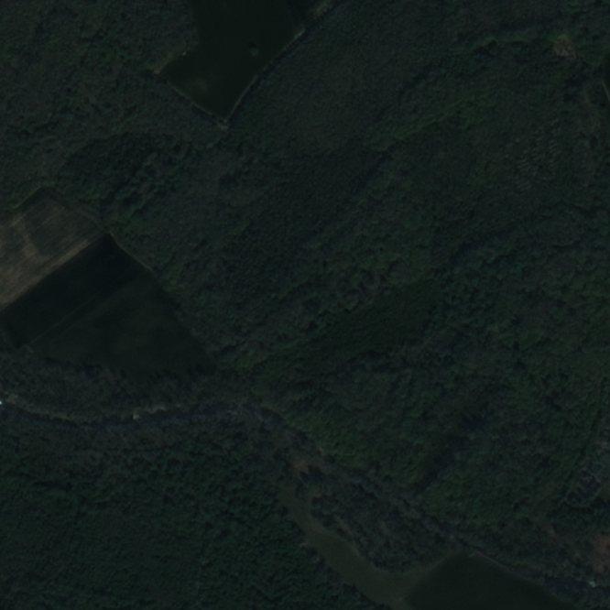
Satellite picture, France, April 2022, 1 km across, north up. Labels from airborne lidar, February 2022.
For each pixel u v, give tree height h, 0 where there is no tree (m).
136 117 28
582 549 16
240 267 22
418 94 25
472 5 14
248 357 29
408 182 24
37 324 0
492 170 21
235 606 20
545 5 19
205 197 36
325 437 35
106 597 21
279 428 23
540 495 32
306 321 24
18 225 0
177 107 24
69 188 16
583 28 30
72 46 26
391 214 28
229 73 0
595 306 30
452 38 23
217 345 27
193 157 33
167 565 15
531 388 32
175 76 0
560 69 14
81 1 26
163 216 31
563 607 0
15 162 22
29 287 0
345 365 10
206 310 28
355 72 17
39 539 12
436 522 21
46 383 25
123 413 29
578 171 18
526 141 19
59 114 25
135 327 0
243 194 29
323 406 29
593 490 12
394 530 22
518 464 31
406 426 37
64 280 0
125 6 23
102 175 11
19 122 24
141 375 0
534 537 30
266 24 0
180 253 22
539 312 32
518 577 0
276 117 16
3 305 0
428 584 0
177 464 16
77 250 0
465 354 35
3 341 0
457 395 31
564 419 34
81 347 0
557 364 22
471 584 0
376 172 25
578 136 34
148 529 17
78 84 28
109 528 19
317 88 16
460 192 22
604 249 31
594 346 31
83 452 28
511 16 15
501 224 21
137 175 28
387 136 28
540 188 19
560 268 34
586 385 30
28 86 22
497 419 34
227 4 0
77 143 26
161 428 27
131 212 29
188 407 23
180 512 25
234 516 13
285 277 33
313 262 25
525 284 29
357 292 34
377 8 11
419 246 34
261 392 29
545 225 31
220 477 24
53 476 18
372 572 0
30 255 0
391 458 34
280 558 21
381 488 21
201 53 0
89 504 21
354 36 13
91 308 0
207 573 14
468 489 30
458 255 13
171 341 0
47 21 20
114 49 26
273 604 15
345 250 26
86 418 19
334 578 19
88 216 0
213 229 26
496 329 31
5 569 16
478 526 29
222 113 0
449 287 29
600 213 34
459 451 33
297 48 15
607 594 19
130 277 0
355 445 34
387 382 34
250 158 16
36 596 22
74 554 14
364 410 31
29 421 25
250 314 29
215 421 28
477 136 26
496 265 33
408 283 7
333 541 0
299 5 0
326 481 27
